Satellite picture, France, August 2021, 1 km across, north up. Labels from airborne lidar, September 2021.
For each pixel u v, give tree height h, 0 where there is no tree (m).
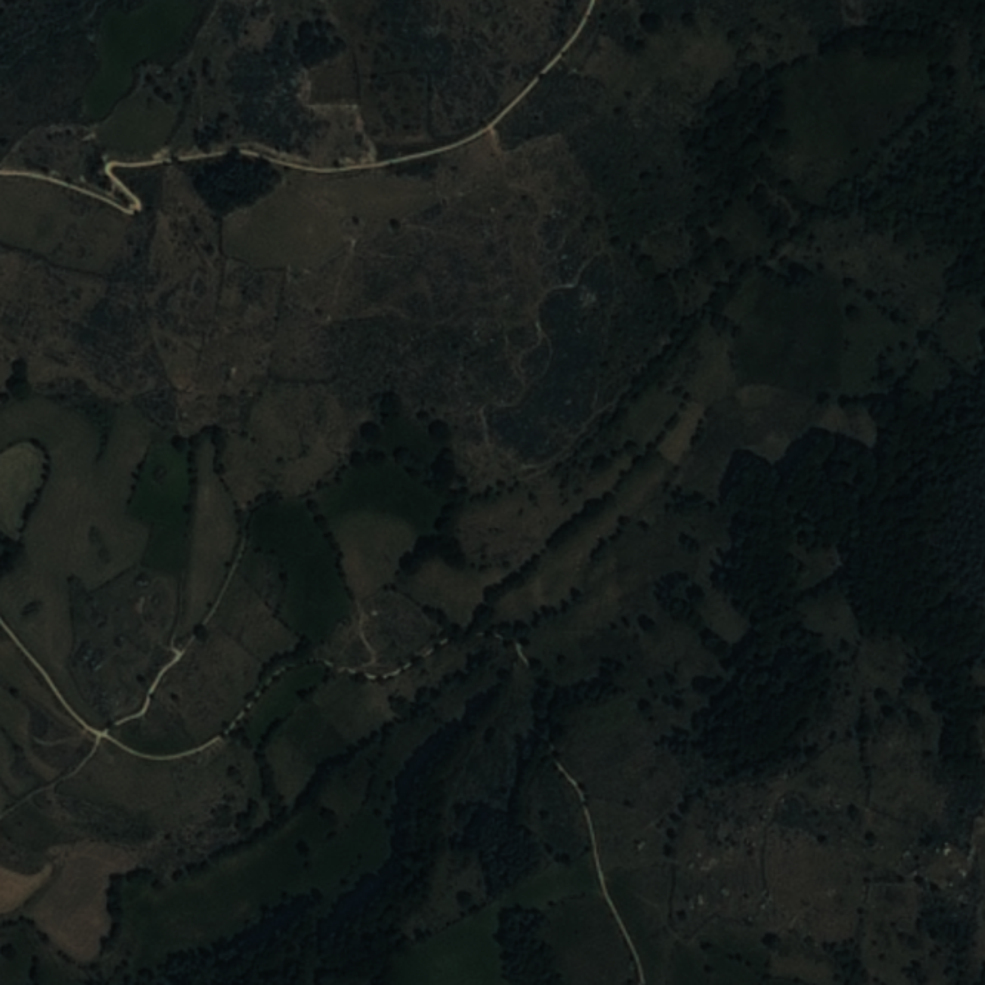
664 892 0
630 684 0
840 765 0
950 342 0
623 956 0
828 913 0
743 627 0
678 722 0
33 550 0
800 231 12
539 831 0
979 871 0
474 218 0
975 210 7
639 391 10
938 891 11
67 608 0
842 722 0
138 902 0
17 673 0
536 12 0
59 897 0
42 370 0
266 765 14
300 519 0
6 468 0
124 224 0
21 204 0
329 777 22
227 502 0
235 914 0
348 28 0
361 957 20
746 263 6
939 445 14
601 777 0
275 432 0
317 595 0
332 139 0
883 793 0
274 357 0
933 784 0
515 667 0
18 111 0
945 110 15
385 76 0
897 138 7
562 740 7
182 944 0
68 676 0
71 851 0
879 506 18
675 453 0
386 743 7
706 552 0
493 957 0
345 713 0
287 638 0
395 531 0
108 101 0
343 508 0
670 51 0
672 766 0
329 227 0
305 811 11
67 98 0
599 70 0
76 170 0
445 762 17
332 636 0
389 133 0
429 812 17
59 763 0
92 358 0
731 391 0
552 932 0
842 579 16
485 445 0
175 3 0
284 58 0
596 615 0
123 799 0
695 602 13
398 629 0
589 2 0
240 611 0
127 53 0
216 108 0
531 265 0
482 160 0
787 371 0
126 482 0
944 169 6
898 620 24
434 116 0
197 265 0
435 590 0
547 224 0
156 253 0
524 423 0
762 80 12
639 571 0
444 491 12
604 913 0
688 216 7
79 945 0
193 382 0
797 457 18
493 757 0
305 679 0
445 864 0
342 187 0
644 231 7
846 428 0
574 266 0
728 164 6
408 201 0
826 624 0
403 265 0
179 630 0
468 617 0
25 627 0
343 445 0
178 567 0
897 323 12
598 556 9
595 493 0
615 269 0
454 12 0
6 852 0
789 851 0
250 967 18
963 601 8
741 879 0
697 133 9
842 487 15
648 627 17
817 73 0
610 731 0
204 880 0
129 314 0
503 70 0
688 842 0
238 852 13
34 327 0
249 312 0
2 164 0
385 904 24
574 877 0
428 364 0
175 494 0
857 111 0
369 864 0
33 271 0
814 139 0
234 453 0
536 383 0
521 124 0
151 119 0
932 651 17
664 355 9
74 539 0
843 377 0
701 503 10
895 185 18
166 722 0
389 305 0
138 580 0
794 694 20
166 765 0
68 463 0
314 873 0
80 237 0
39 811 0
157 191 0
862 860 0
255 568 0
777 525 23
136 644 0
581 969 0
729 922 0
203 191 21
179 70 0
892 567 22
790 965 0
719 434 0
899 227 8
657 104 0
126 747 0
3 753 0
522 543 0
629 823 0
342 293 0
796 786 0
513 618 0
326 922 0
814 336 0
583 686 8
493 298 0
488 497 13
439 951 0
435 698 15
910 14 11
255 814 11
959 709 19
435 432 16
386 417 13
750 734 19
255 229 0
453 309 0
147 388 0
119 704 0
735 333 11
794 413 0
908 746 0
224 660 0
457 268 0
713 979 0
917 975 10
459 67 0
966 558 6
